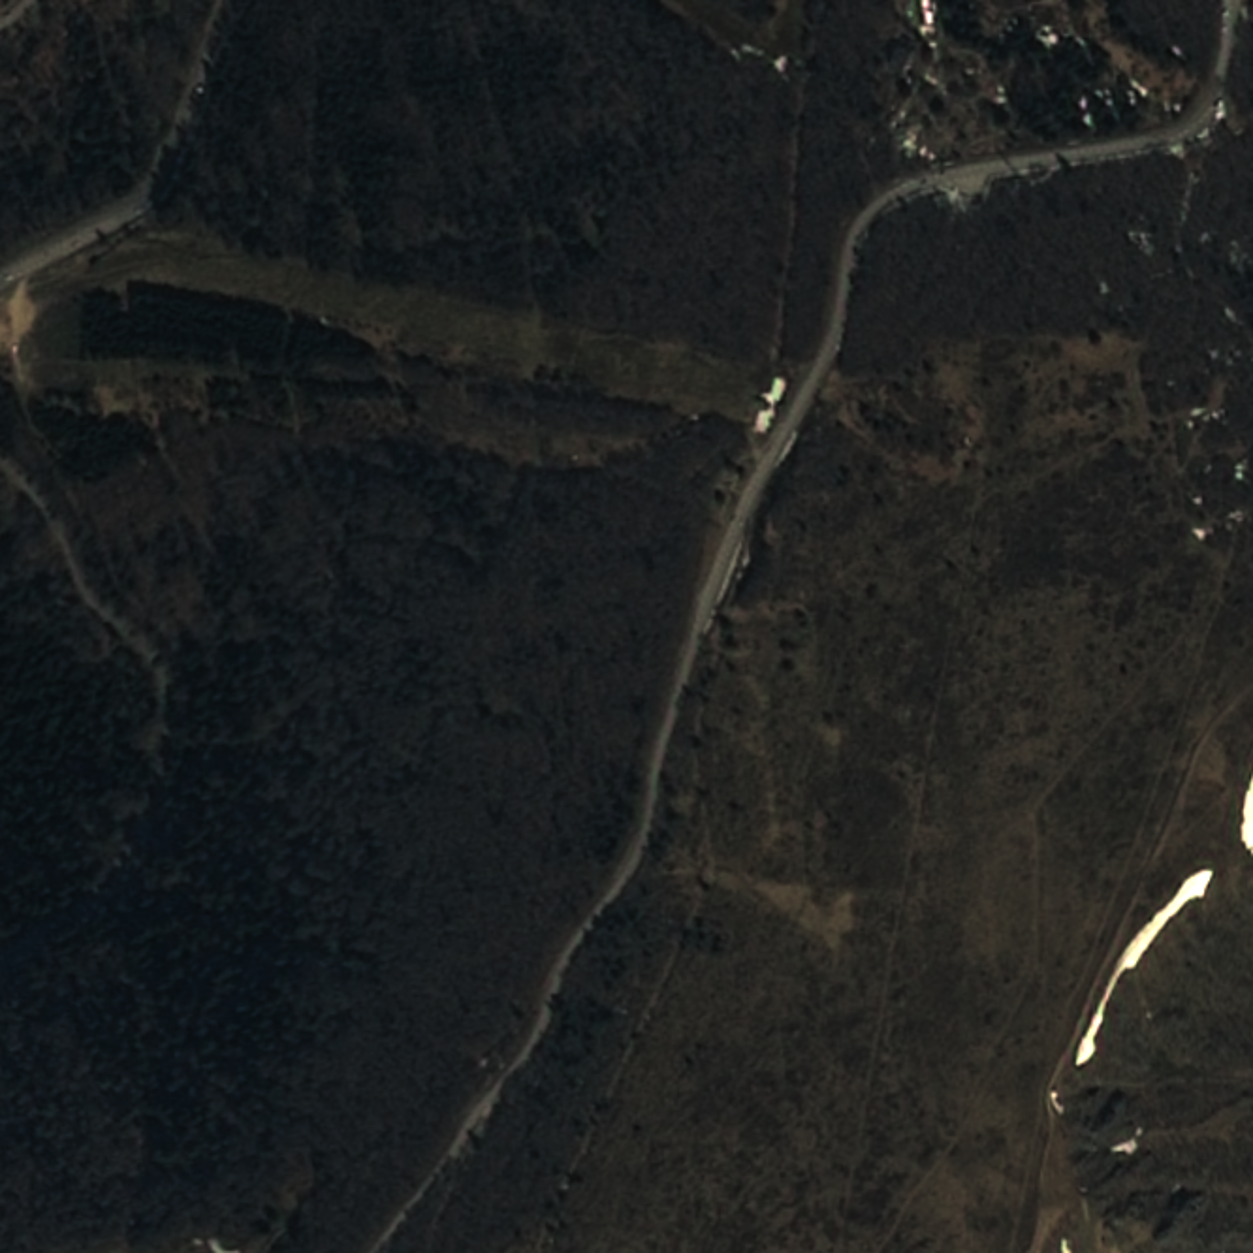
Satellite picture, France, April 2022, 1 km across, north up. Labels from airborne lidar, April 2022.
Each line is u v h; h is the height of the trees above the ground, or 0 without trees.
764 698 0
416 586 20
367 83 15
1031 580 0
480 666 18
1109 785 0
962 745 0
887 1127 0
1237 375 9
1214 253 12
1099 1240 0
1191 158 11
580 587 15
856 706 0
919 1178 0
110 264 0
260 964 12
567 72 16
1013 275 11
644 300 16
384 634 20
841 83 12
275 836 22
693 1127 0
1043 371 0
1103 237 11
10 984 18
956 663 0
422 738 18
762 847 0
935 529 0
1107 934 0
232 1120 20
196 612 16
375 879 18
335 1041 15
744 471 6
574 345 0
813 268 12
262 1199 15
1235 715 0
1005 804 0
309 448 12
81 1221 20
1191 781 0
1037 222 9
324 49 16
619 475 12
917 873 0
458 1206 8
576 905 9
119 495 13
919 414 0
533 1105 9
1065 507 0
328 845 27
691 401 0
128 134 9
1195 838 0
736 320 11
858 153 12
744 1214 0
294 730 14
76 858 39
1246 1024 10
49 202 21
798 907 0
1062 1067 0
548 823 13
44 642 20
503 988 13
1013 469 0
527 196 16
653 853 7
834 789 0
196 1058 22
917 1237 0
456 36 16
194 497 17
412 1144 11
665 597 13
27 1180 25
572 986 7
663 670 9
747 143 13
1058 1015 0
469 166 13
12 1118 20
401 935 19
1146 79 0
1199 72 12
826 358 0
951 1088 0
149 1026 21
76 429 10
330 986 21
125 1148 25
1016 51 14
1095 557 0
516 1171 8
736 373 0
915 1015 0
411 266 13
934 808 0
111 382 0
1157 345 7
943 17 8
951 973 0
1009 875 0
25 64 7
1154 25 14
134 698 13
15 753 23
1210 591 0
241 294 0
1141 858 0
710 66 16
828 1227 0
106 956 19
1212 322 9
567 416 18
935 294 11
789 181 10
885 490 0
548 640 12
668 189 16
